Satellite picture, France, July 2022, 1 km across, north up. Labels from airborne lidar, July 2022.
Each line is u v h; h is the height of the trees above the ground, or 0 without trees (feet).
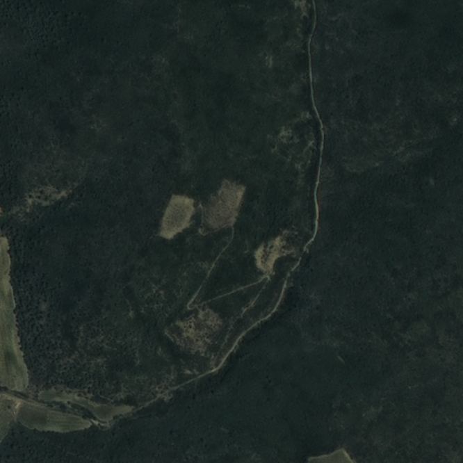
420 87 21
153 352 26
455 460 0
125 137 22
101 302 24
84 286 18
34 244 36
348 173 18
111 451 18
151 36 21
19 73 34
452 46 17
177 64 18
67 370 35
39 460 19
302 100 20
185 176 17
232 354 40
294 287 25
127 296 22
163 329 23
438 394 0
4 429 0
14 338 0
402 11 17
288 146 22
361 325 0
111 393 20
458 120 17
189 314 19
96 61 21
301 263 37
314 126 25
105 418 0
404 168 25
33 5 30
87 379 33
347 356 28
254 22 18
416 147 20
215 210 0
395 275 17
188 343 0
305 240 31
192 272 18
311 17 40
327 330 0
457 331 0
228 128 20
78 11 18
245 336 21
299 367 0
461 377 0
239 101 17
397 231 20
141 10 18
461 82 18
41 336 31
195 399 31
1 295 0
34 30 26
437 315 19
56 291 20
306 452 20
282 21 21
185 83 19
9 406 21
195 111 24
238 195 0
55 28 31
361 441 0
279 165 20
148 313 22
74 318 30
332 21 19
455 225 0
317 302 0
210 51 19
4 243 0
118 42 30
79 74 27
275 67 17
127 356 34
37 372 28
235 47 21
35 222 31
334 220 18
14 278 34
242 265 20
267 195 19
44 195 17
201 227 24
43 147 25
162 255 21
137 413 19
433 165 18
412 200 20
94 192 27
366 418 0
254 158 19
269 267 0
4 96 33
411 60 20
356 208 19
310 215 27
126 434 20
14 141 24
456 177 20
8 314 0
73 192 28
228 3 19
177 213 0
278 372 0
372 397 0
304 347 0
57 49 33
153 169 24
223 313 17
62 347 24
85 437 19
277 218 38
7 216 28
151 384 19
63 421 0
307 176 36
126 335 33
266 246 22
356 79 22
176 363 18
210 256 20
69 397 0
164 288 26
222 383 25
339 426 0
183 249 17
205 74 20
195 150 20
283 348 0
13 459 21
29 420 0
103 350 37
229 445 18
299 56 26
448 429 0
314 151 38
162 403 20
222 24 37
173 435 36
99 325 25
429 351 0
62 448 21
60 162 0
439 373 0
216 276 18
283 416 18
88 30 27
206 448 24
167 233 0
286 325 20
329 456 0
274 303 0
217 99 17
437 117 19
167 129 19
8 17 38
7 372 0
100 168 17
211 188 19
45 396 0
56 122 30
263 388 19
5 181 19
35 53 25
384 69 20
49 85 19
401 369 0
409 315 0
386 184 18
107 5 18
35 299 34
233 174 23
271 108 23
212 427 19
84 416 24
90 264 21
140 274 22
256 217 35
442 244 0
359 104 19
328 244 18
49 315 32
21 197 18
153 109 18
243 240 26
